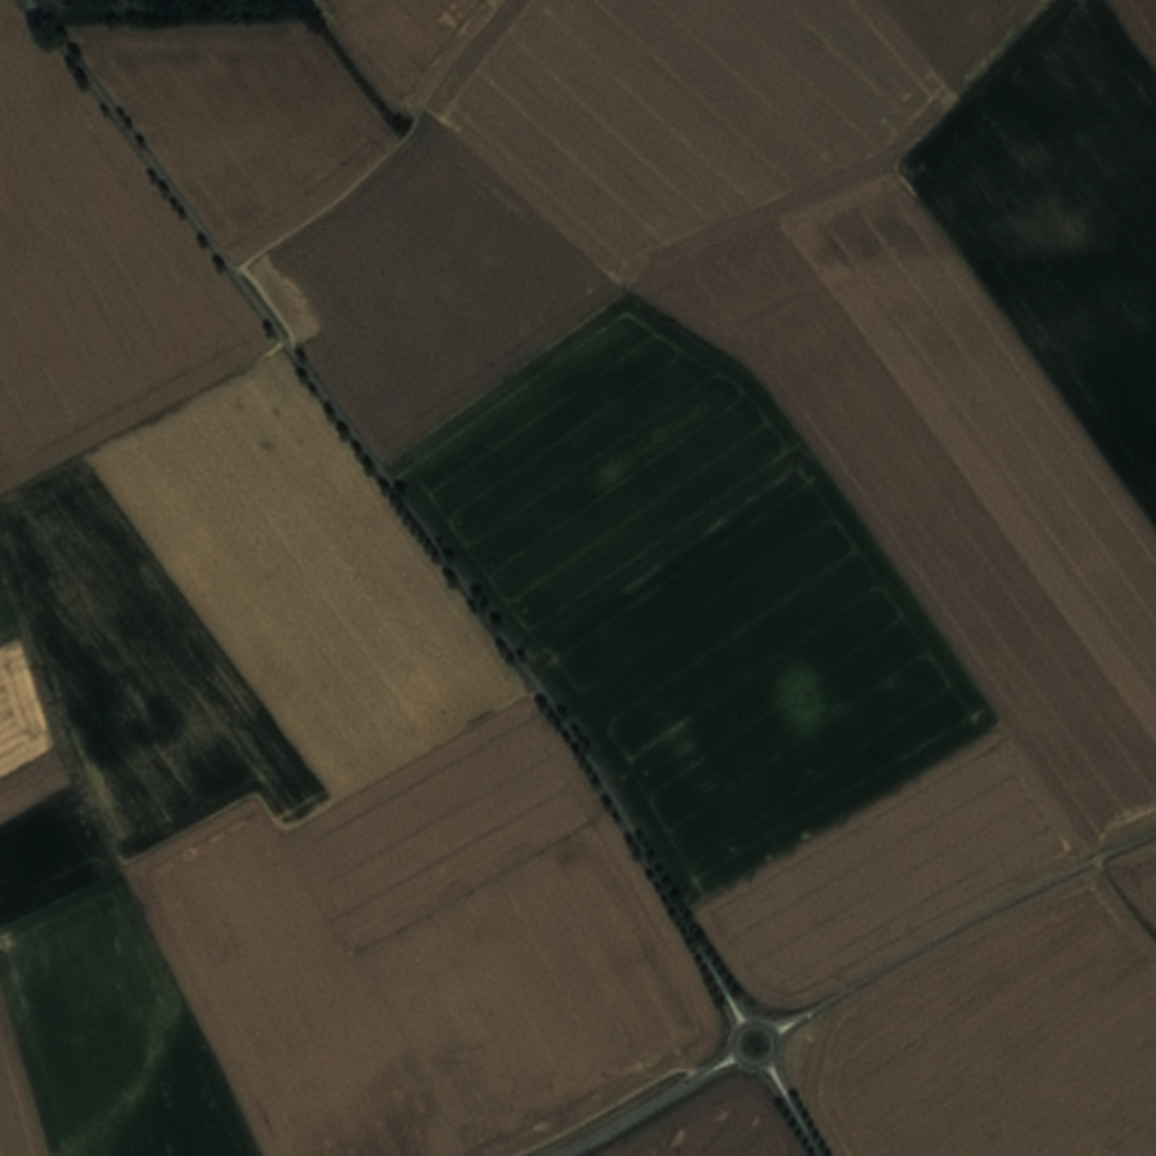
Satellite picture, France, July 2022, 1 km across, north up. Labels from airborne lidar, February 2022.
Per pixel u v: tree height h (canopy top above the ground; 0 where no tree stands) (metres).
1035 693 0
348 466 0
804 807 0
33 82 0
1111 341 0
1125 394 0
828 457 0
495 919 0
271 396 0
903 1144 0
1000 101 0
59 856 0
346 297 0
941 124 0
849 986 0
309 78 0
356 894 0
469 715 0
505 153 0
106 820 0
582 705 0
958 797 0
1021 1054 0
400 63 0
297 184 0
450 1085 0
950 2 0
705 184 0
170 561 0
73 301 0
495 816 0
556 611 0
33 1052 0
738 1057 0
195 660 0
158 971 0
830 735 0
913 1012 0
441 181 0
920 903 0
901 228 0
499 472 0
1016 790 0
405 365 0
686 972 0
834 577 0
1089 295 0
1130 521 0
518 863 0
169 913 0
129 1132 0
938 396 0
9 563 0
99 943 0
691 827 0
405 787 0
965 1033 0
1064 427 0
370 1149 0
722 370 0
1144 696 0
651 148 0
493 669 0
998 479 0
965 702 0
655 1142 0
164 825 0
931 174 0
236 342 0
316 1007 0
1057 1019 0
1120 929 0
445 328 0
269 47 0
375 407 0
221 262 12
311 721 0
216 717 0
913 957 0
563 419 0
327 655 0
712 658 0
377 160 0
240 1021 0
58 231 0
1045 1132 0
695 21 0
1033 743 0
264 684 0
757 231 0
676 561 0
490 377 0
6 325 0
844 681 0
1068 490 0
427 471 0
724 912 0
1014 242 0
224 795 0
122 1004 0
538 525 0
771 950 0
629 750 0
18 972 0
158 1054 0
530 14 0
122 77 0
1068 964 0
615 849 0
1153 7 0
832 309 0
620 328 0
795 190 0
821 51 0
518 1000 0
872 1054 0
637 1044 0
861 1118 0
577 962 0
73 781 0
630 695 0
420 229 0
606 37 0
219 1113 0
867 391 0
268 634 0
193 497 0
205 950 0
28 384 0
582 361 0
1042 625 0
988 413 0
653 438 0
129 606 0
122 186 0
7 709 0
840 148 0
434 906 0
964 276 0
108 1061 0
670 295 0
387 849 0
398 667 0
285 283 0
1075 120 0
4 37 0
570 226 0
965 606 0
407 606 0
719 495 0
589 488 0
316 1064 0
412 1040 0
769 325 0
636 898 0
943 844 0
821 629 0
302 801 0
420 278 0
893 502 0
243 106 0
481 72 0
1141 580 0
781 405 0
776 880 0
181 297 0
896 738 0
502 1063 0
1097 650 0
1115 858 0
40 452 0
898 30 0
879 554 0
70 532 0
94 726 0
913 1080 0
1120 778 0
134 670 0
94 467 0
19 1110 0
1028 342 0
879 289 0
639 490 0
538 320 0
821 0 0
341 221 0
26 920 0
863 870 0
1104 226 0
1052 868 0
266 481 0
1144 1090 0
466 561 0
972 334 0
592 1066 0
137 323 0
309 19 16
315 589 0
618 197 0
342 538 0
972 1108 0
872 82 0
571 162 0
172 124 0
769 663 0
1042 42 0
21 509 0
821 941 0
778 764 0
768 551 0
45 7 0
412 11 0
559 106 0
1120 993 0
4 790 0
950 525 0
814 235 0
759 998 0
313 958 0
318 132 0
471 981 0
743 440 0
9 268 0
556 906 0
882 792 0
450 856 0
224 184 0
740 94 0
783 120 0
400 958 0
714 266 0
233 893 0
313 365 0
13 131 0
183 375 0
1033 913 0
